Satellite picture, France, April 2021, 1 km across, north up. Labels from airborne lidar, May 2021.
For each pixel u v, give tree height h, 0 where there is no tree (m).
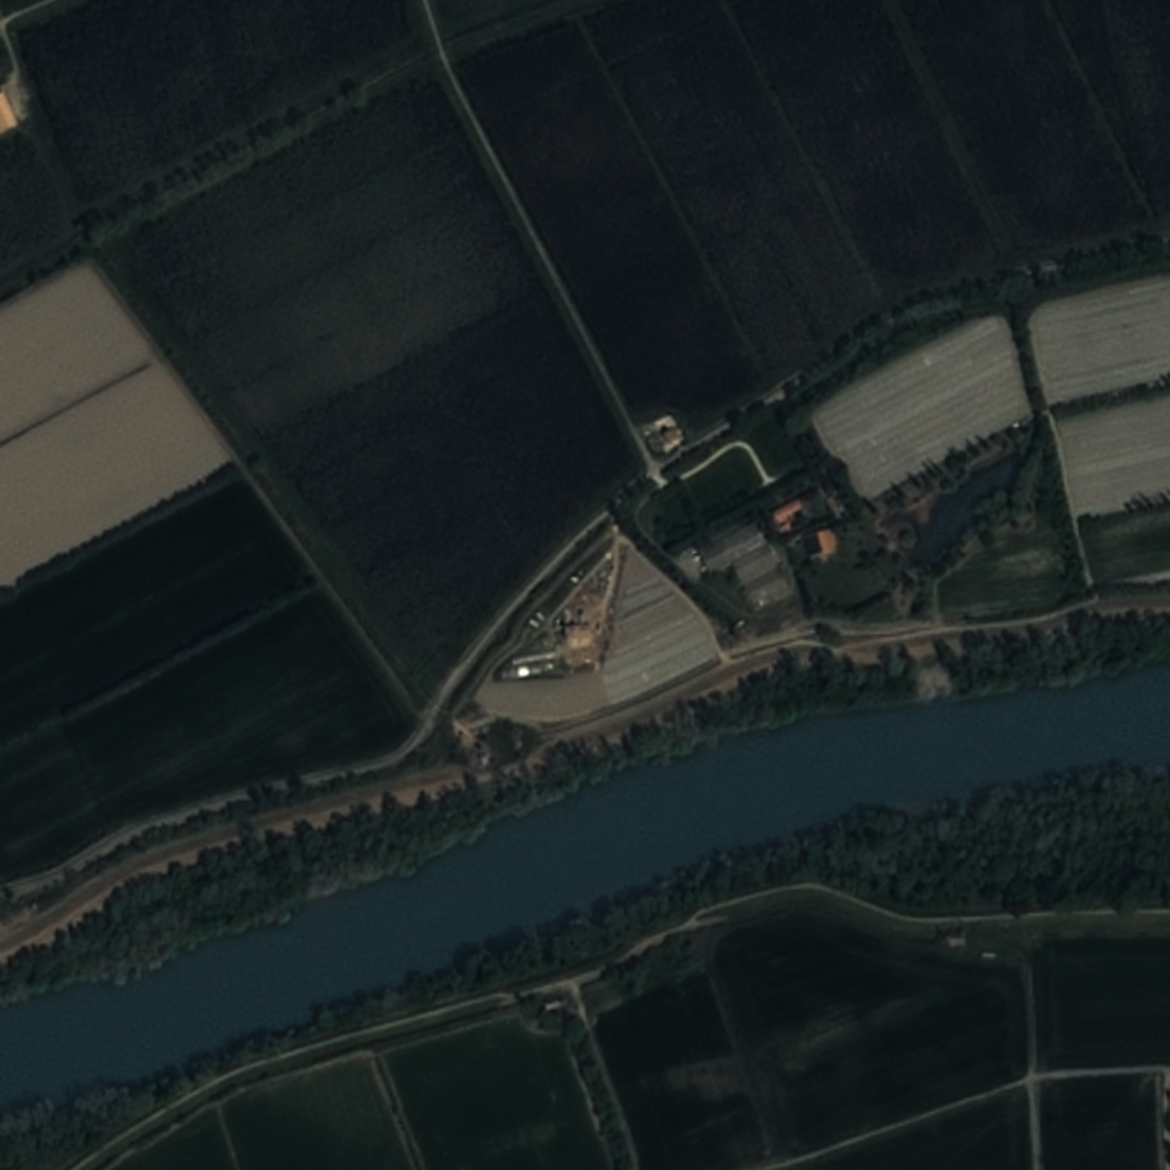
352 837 23
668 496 6
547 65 13
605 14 12
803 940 0
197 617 0
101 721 0
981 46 13
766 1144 0
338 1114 0
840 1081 0
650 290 12
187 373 7
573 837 0
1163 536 0
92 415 0
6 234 9
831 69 11
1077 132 11
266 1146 0
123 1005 0
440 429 11
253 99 10
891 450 0
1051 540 0
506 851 0
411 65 0
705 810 0
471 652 0
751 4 12
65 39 14
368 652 0
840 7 13
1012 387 0
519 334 11
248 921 14
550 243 15
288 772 0
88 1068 0
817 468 11
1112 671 15
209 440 0
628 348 13
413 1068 0
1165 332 0
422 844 13
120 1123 10
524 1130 0
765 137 11
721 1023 0
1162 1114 0
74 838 0
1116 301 0
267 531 0
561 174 11
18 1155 23
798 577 8
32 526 0
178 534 0
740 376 14
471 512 11
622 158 11
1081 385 0
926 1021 0
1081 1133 0
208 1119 0
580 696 0
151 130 9
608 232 12
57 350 0
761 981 0
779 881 20
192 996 0
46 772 0
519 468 11
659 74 10
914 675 23
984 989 0
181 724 0
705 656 0
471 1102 0
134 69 11
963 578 0
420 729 0
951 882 22
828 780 0
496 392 11
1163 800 20
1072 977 0
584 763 24
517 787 21
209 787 0
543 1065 0
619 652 0
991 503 10
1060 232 12
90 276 0
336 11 9
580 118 12
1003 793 8
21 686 0
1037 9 10
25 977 17
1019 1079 0
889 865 22
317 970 0
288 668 0
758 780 0
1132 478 0
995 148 12
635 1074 0
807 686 7
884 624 0
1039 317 0
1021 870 24
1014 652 18
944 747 0
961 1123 0
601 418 13
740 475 0
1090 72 10
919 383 0
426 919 0
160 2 12
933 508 0
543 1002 6
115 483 0
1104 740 0
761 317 9
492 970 23
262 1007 0
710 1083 0
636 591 0
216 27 11
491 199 11
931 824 13
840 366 13
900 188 13
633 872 0
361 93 18
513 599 0
